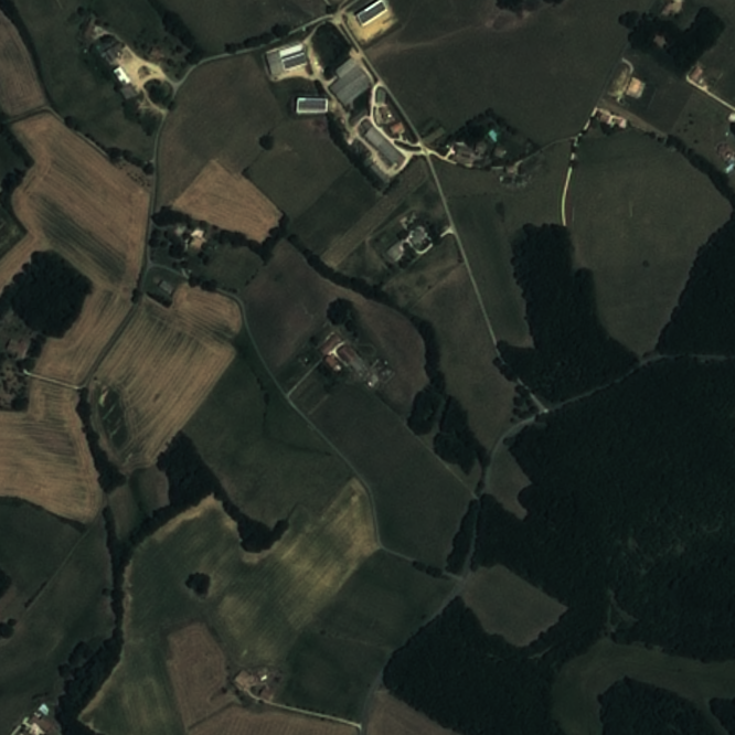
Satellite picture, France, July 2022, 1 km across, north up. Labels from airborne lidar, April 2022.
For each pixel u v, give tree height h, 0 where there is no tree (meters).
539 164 0
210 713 0
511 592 0
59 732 0
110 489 10
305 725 0
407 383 0
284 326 0
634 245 0
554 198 0
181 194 0
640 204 0
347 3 0
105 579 0
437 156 0
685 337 10
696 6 0
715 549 15
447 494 0
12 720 0
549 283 17
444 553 0
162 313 0
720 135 0
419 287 0
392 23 0
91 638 0
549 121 0
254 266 0
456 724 11
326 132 0
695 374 11
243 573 0
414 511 0
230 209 0
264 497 0
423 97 0
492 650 11
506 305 0
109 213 0
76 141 0
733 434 7
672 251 0
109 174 0
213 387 0
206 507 0
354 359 0
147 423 0
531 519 10
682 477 9
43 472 0
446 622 10
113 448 0
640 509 9
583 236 0
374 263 0
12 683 0
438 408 13
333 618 0
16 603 0
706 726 11
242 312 0
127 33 0
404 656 17
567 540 8
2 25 0
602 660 0
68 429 0
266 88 0
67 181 0
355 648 0
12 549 0
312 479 0
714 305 12
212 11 0
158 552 0
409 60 0
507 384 0
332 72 11
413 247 6
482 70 0
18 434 0
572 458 7
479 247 0
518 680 12
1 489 0
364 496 0
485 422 0
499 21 0
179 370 0
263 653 0
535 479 16
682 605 8
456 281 0
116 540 12
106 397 0
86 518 0
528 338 0
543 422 8
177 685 0
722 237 13
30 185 0
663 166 0
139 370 0
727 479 8
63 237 0
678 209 0
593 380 10
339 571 0
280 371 0
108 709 0
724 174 11
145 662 0
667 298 0
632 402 10
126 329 0
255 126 0
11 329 0
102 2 0
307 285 0
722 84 0
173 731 0
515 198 0
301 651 0
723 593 7
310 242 0
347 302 15
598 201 0
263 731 0
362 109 0
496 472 0
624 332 0
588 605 13
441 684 14
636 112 0
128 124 0
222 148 0
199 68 0
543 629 0
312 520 0
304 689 0
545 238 14
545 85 0
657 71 0
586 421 9
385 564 0
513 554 13
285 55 0
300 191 0
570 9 0
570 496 10
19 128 0
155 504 0
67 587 0
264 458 0
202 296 0
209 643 0
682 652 6
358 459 0
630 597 10
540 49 0
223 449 0
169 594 0
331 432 0
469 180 0
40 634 0
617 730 11
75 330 0
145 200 0
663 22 10
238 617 0
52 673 0
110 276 0
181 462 13
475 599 0
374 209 0
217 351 0
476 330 0
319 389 0
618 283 0
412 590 0
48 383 0
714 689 0
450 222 0
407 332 0
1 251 0
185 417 0
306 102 0
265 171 0
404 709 0
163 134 0
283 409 0
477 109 0
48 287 19
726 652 15
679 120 0
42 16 0
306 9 0
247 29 0
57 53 0
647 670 0
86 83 0
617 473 7
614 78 0
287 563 0
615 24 0
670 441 8
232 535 0
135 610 0
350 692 0
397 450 0
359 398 0
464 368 0
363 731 0
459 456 12
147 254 0
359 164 8
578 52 0
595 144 0
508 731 15
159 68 0
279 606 0
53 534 0
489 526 16
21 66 0
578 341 10
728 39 0
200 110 0
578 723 0
